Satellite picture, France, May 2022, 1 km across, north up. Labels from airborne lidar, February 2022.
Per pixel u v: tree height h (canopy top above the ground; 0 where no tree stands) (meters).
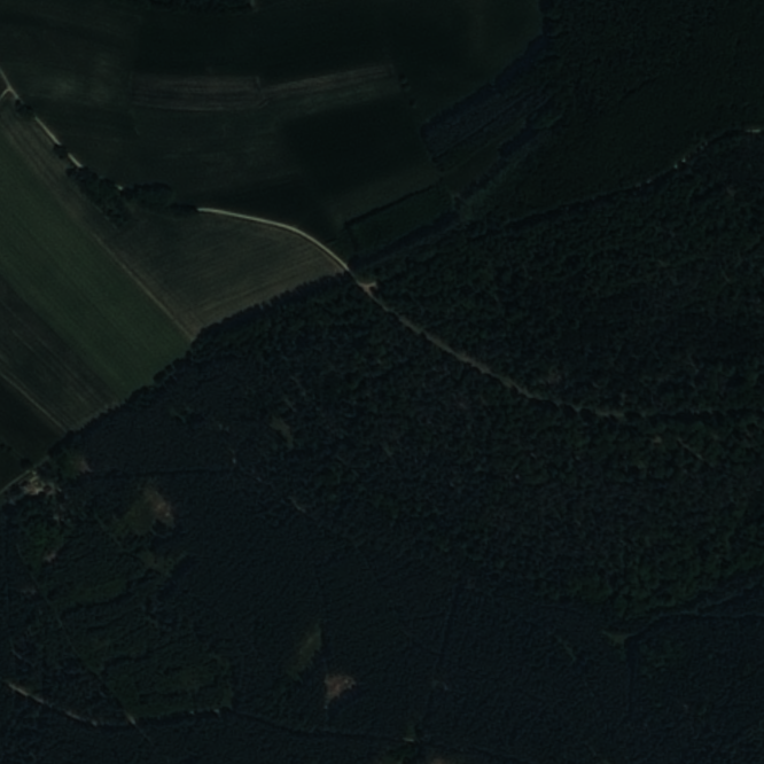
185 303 0
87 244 0
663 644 19
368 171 0
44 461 0
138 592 14
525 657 29
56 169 0
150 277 0
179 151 0
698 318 14
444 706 27
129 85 0
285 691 24
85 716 23
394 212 0
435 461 32
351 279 17
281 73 0
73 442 16
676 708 20
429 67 0
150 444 23
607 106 12
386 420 28
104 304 0
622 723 28
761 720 21
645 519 29
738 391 32
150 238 0
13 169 0
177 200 0
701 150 8
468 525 26
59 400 0
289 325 27
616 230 25
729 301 12
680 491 33
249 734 23
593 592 30
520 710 26
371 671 25
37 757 25
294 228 0
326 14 0
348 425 31
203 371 24
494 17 0
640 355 11
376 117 0
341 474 35
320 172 0
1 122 0
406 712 24
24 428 0
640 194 26
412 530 32
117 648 12
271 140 0
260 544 25
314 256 0
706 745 19
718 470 23
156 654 11
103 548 12
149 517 0
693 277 11
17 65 0
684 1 18
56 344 0
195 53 0
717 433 34
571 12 17
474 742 25
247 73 0
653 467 33
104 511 20
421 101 0
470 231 24
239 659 18
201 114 0
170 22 0
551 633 26
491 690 30
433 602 27
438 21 0
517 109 25
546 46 17
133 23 0
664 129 13
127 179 0
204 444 26
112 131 0
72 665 29
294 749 23
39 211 0
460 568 25
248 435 25
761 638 23
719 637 23
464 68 0
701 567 30
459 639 25
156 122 0
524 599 28
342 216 0
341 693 0
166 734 20
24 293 0
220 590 20
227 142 0
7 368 0
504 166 15
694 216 20
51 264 0
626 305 17
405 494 30
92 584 12
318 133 0
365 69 0
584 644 28
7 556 16
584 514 27
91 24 0
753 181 16
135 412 19
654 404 28
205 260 0
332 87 0
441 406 27
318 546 25
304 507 31
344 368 27
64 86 0
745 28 15
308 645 0
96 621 15
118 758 22
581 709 27
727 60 14
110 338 0
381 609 23
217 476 27
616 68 15
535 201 11
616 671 28
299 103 0
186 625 12
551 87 25
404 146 0
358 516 31
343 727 20
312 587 20
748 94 12
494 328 25
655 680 21
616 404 28
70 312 0
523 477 31
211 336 20
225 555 22
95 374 0
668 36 15
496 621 27
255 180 0
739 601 22
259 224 0
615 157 10
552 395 30
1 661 18
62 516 21
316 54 0
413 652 24
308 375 30
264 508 29
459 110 15
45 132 0
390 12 0
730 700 19
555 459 32
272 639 23
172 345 0
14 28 0
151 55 0
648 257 26
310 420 25
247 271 0
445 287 21
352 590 22
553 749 29
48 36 0
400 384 28
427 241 22
